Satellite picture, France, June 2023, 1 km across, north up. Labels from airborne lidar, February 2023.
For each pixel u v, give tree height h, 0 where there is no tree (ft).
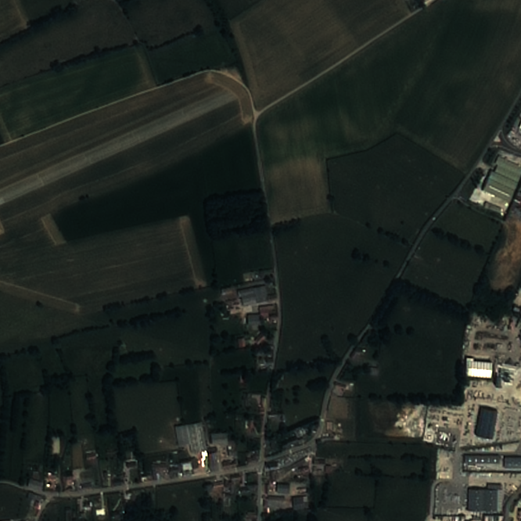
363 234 0
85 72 0
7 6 0
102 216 0
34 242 0
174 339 0
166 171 0
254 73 0
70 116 0
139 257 0
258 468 0
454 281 0
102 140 0
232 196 61
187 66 0
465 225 0
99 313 0
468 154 0
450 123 0
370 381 0
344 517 0
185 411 0
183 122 0
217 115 0
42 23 48
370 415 0
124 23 0
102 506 0
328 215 0
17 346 0
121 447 33
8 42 32
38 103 0
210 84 0
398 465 0
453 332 0
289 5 0
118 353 36
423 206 0
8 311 0
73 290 0
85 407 0
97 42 0
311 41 0
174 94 0
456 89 0
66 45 0
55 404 0
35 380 0
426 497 0
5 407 36
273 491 0
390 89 0
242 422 0
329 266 0
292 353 0
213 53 0
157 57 0
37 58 0
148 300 36
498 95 0
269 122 0
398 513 0
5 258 0
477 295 47
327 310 0
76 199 0
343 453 0
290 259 0
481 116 0
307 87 0
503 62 0
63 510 0
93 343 0
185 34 19
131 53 0
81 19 0
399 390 0
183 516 0
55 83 0
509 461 0
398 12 0
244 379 34
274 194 0
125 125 0
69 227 0
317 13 0
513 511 0
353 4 0
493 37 0
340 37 0
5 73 0
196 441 0
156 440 0
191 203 0
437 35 0
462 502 0
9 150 0
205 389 0
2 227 0
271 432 22
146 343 0
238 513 20
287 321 0
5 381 46
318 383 49
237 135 0
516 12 0
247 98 0
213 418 32
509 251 0
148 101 0
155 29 0
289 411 0
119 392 0
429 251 0
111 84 0
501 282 0
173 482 0
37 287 0
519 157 0
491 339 0
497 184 0
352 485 0
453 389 0
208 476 0
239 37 0
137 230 0
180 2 0
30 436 0
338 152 0
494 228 0
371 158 0
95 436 0
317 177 0
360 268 0
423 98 0
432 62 0
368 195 0
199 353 0
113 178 0
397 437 0
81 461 0
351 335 36
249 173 0
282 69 0
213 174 0
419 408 0
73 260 0
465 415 0
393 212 0
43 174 0
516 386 0
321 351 0
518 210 0
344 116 0
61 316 0
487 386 0
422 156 0
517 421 0
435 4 0
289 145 0
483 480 0
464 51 0
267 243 0
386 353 0
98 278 0
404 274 0
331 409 0
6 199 0
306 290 0
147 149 0
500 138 0
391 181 0
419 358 0
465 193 0
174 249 0
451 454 0
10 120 0
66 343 0
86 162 0
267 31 0
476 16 0
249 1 0
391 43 0
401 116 0
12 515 0
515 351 0
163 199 0
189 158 0
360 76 0
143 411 0
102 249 0
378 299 0
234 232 37
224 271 0
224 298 0
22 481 24
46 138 0
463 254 0
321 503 27
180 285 0
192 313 0
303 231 0
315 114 0
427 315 0
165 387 0
